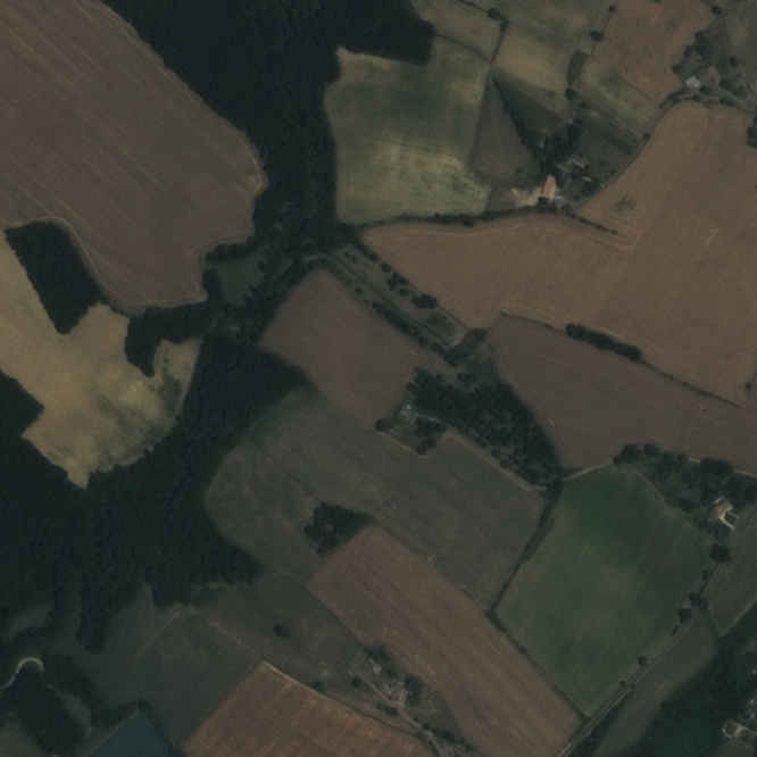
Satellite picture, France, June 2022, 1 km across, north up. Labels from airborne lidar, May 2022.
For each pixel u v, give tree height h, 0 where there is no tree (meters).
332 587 0
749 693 13
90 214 0
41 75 0
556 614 0
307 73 22
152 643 0
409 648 0
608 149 0
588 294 0
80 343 0
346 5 23
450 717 0
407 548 0
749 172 0
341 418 0
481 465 0
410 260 0
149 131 0
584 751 11
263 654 0
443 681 0
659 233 0
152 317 22
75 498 21
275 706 0
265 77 29
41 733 18
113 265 0
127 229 0
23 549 22
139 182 0
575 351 0
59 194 0
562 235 0
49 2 0
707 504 11
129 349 14
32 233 18
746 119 0
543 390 0
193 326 21
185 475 6
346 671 0
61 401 0
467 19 0
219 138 0
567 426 0
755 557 0
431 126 0
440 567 0
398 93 0
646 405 0
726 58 0
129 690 0
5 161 0
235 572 20
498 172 0
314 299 0
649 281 0
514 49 0
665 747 12
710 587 0
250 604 0
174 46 19
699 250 0
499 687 0
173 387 0
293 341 0
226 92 17
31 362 0
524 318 0
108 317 0
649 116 0
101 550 19
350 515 11
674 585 0
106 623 13
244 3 27
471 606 0
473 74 0
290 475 0
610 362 0
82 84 0
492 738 0
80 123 0
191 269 0
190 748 0
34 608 0
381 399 0
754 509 0
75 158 0
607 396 0
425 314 0
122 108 0
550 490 8
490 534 0
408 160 0
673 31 0
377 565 0
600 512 0
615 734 0
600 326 0
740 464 0
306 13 23
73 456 0
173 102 0
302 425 0
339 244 8
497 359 0
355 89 0
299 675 0
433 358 0
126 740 0
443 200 0
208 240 0
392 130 0
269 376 21
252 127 19
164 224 0
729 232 0
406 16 20
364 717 0
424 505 0
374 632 0
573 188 0
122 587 6
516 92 0
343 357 0
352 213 0
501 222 0
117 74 0
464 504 0
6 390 18
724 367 0
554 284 0
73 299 15
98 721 13
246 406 18
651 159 0
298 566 0
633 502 0
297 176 25
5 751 0
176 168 0
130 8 18
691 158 0
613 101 0
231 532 0
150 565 15
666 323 0
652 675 0
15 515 24
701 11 0
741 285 0
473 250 0
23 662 0
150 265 0
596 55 0
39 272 16
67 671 18
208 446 23
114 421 0
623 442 0
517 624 0
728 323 0
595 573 0
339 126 0
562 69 0
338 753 0
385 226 0
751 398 0
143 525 20
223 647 0
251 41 21
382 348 0
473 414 15
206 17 21
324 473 0
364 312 0
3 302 0
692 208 0
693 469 7
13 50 0
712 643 0
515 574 0
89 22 0
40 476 28
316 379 0
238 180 0
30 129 0
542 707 0
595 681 0
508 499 0
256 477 0
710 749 8
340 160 0
